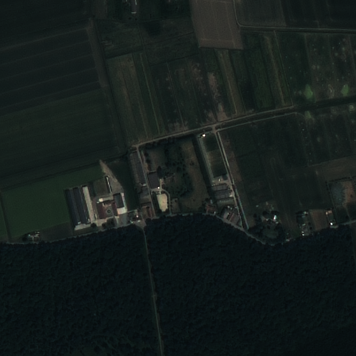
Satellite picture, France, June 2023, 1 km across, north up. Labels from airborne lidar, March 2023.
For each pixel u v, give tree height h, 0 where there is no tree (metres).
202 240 22
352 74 0
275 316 24
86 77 0
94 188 0
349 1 0
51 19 0
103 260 25
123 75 0
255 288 19
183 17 0
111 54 0
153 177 0
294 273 21
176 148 0
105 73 0
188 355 22
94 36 0
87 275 22
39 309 26
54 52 0
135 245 21
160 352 0
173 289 24
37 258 18
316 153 0
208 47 0
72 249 24
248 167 0
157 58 0
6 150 0
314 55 0
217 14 0
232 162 0
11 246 13
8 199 0
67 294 22
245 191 0
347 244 20
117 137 0
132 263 23
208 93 0
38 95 0
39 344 21
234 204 0
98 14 0
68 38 0
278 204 0
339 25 0
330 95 0
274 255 19
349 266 22
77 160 0
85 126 0
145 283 23
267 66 0
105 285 21
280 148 0
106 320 24
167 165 13
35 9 0
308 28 0
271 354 18
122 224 0
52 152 0
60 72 0
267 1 0
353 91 0
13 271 24
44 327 23
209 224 23
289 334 23
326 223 0
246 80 0
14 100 0
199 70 0
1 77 0
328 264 21
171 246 25
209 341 24
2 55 0
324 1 0
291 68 0
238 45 0
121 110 0
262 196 0
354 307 19
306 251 22
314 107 0
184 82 0
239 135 0
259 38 0
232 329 22
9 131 0
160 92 0
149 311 23
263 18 0
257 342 23
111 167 0
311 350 13
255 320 25
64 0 0
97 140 0
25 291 24
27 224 0
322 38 0
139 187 0
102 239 20
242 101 0
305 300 20
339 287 24
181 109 0
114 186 0
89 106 0
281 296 23
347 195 0
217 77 0
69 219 0
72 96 0
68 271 23
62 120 0
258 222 12
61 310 24
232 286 21
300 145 0
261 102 0
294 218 0
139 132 0
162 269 24
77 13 0
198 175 0
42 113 0
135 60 0
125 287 22
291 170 0
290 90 0
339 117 0
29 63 0
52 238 0
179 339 10
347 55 0
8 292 22
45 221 0
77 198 0
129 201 0
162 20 0
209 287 22
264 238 16
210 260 22
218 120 0
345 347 12
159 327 0
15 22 0
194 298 23
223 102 0
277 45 0
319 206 0
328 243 25
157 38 0
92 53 0
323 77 0
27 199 0
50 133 0
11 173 0
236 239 22
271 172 0
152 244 22
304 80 0
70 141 0
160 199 0
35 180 0
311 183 0
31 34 0
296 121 0
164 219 12
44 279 22
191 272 24
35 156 0
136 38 0
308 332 23
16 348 20
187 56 0
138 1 0
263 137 0
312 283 24
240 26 0
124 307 22
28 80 0
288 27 0
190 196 0
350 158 0
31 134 0
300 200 0
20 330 21
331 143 0
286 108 0
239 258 24
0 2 0
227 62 0
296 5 0
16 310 24
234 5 0
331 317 16
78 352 0
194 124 0
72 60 0
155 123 0
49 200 0
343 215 0
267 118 0
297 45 0
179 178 0
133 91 0
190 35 0
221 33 0
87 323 23
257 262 23
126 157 7
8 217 0
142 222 0
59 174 0
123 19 0
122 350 24
